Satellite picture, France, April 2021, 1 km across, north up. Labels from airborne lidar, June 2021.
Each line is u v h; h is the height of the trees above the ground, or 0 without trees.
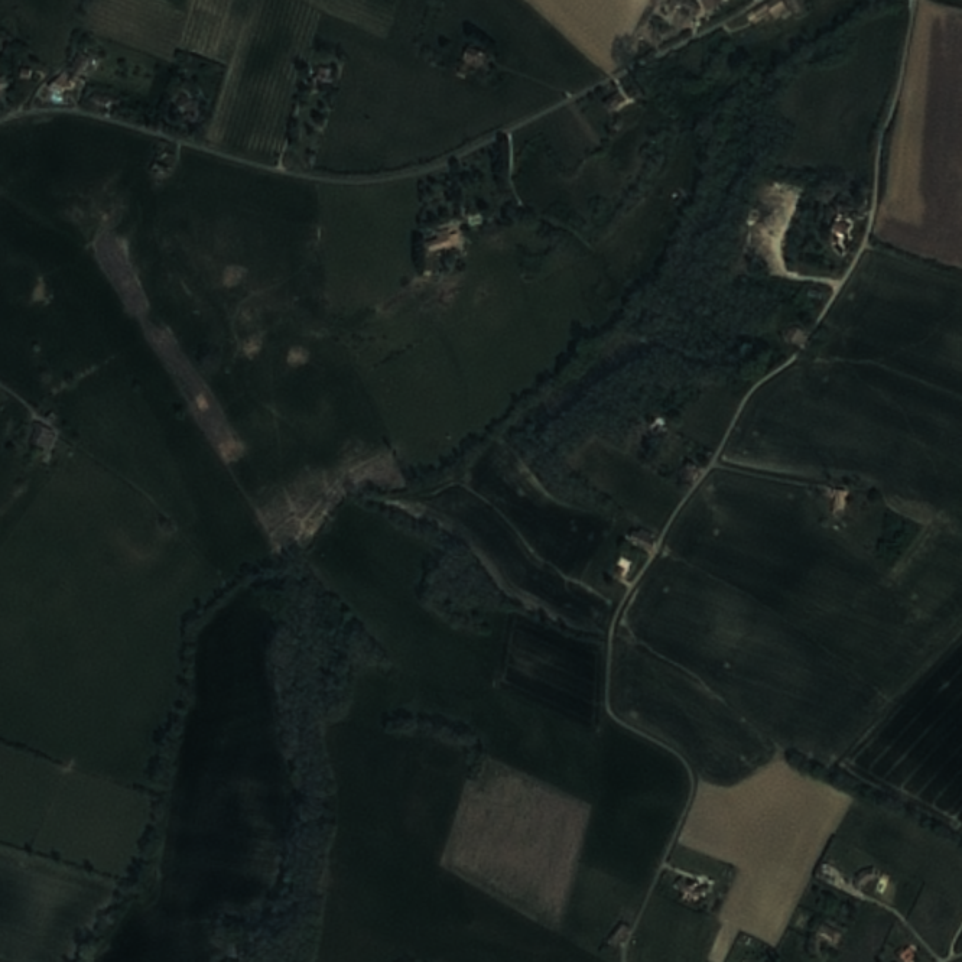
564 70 0
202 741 0
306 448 0
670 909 0
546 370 0
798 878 0
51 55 0
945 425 0
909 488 0
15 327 0
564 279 0
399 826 0
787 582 0
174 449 0
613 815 0
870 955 0
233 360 0
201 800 0
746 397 0
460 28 0
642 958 0
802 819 0
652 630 0
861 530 0
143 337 0
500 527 0
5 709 0
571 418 20
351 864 0
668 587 0
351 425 0
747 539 0
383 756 0
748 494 0
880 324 0
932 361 0
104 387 0
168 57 0
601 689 0
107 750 0
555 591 0
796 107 0
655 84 11
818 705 0
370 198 0
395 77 0
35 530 0
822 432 0
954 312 0
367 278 0
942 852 0
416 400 0
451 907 0
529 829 0
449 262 16
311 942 14
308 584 9
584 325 0
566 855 0
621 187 0
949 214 0
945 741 0
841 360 0
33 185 0
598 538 0
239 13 0
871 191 15
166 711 0
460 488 0
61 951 0
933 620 0
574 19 0
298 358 0
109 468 0
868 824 0
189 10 0
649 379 19
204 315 0
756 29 9
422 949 0
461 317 0
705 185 18
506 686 0
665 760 0
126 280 0
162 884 0
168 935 0
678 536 0
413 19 0
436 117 0
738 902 0
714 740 0
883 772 0
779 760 0
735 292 13
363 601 0
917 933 0
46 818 0
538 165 0
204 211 0
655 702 0
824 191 19
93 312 0
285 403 0
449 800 0
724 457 0
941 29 0
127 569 0
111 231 0
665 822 0
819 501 8
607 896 0
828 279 0
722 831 0
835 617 0
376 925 0
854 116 0
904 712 0
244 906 0
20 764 0
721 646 0
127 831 0
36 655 0
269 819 0
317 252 0
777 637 0
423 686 0
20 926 0
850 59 7
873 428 0
